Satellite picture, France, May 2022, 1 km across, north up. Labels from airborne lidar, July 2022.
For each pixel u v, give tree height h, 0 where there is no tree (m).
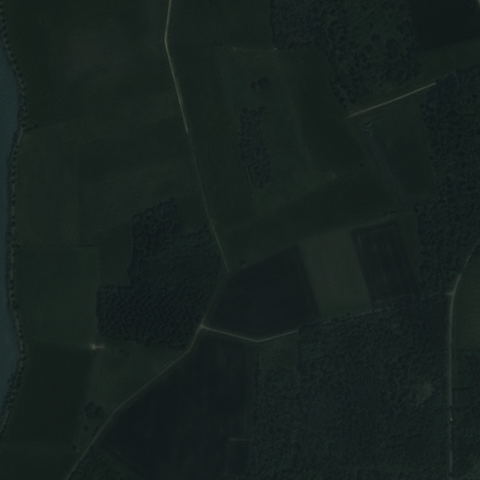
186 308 33
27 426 0
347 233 0
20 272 0
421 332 21
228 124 0
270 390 16
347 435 35
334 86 14
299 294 0
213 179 0
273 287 0
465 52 0
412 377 6
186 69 0
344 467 27
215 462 0
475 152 8
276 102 0
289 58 0
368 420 30
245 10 0
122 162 0
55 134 0
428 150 0
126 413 0
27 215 0
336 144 0
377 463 23
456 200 28
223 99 0
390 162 0
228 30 0
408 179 0
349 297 0
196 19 0
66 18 0
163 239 15
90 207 0
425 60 0
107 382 0
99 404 0
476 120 7
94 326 0
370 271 0
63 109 0
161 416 0
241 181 0
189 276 22
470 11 0
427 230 26
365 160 0
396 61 26
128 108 0
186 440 0
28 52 0
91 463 7
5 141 0
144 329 33
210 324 0
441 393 18
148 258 18
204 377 0
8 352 0
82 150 0
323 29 27
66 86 0
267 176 19
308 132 0
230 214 0
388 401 28
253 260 0
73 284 0
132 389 0
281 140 0
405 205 0
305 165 0
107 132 0
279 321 0
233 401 0
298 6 35
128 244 0
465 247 22
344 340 22
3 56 0
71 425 0
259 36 0
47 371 0
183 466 0
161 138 0
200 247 23
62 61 0
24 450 0
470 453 19
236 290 0
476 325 0
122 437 0
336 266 0
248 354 0
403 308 18
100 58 0
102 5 0
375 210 0
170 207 23
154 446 0
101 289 9
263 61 0
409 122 0
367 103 0
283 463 24
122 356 11
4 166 0
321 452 34
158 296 31
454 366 0
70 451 0
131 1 0
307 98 0
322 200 0
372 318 22
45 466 0
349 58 22
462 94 23
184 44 0
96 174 0
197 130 0
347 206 0
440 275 12
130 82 0
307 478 24
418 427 16
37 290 0
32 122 0
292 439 26
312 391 21
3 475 0
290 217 0
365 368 26
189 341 14
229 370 0
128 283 0
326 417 36
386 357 20
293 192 0
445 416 20
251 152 22
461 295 0
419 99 0
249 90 0
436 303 23
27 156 0
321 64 0
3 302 0
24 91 12
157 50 0
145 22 0
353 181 0
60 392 0
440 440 17
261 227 0
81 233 0
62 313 0
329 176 0
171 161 0
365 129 6
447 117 22
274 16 19
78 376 0
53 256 0
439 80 0
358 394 30
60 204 0
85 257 0
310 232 0
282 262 0
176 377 0
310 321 0
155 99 0
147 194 0
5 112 0
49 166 0
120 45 0
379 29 0
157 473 0
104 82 0
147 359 0
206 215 0
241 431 0
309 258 0
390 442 11
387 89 8
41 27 0
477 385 15
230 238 0
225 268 0
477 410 22
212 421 0
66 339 0
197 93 0
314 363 16
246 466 0
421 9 0
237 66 0
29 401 0
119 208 0
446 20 0
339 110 0
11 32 0
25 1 0
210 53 0
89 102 0
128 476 6
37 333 0
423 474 19
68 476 0
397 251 0
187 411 0
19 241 0
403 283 0
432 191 0
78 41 0
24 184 0
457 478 22
